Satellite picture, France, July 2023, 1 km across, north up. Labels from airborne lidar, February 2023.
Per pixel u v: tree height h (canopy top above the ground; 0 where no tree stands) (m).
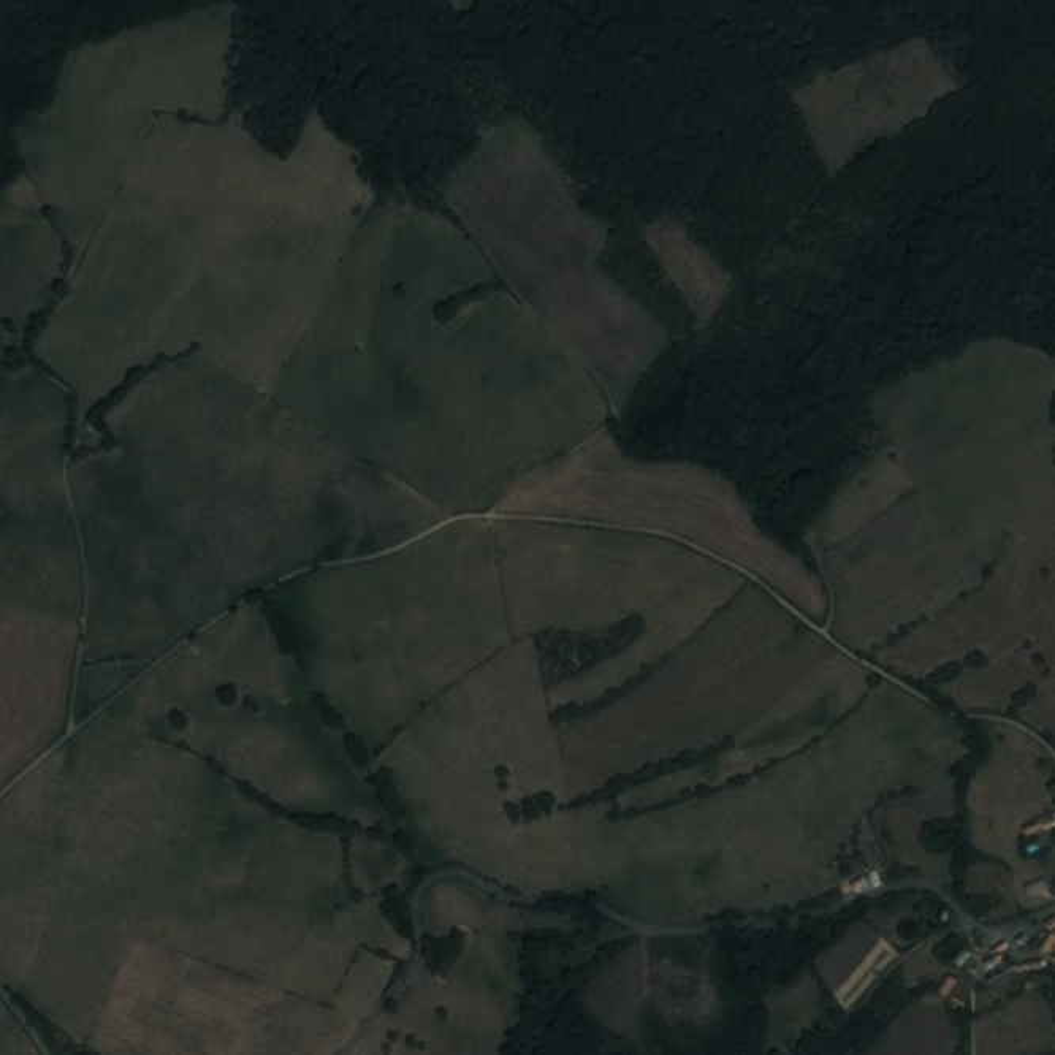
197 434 0
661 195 12
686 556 0
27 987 0
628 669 0
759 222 6
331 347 0
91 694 0
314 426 0
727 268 7
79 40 18
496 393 0
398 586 0
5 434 0
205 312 0
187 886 0
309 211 0
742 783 10
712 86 18
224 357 0
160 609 0
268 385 0
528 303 0
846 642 0
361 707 0
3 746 0
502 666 0
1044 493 0
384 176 10
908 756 0
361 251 0
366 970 0
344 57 24
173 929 0
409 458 0
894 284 29
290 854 0
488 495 0
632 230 7
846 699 0
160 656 0
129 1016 0
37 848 0
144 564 0
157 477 0
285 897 0
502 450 0
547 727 0
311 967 0
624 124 16
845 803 0
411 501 0
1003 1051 0
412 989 0
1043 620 0
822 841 0
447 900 0
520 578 0
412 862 8
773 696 0
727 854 0
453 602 0
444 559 0
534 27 18
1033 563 0
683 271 0
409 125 17
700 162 12
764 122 16
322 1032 0
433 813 0
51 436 0
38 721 0
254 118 13
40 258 0
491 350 0
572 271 0
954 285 15
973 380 0
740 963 7
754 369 22
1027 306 13
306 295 0
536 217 0
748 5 18
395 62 13
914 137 15
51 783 0
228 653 0
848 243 10
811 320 25
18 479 0
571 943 6
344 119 21
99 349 0
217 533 0
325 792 0
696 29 23
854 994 0
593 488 0
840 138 0
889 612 0
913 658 0
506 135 0
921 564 0
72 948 0
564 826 0
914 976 0
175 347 0
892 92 0
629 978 0
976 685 0
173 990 0
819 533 0
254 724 0
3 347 0
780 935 8
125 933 0
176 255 0
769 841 0
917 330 12
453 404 0
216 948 0
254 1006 0
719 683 0
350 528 0
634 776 6
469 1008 0
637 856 0
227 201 0
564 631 6
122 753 0
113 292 0
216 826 0
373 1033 0
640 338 0
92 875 0
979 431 0
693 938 0
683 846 0
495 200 0
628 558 0
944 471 0
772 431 16
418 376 0
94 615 0
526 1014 15
